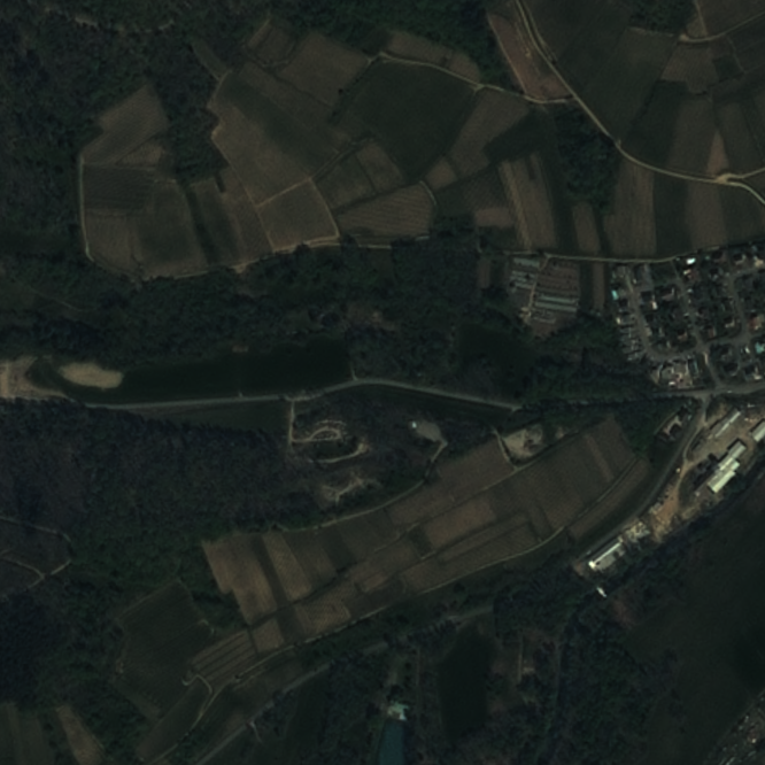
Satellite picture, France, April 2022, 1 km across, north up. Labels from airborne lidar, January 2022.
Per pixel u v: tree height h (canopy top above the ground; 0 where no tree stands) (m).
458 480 0
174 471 23
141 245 0
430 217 0
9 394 0
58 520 17
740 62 0
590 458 0
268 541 0
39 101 23
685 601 8
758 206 0
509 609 24
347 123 0
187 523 23
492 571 0
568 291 0
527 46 0
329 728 22
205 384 0
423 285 22
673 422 0
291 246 0
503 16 0
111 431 20
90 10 11
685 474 0
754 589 0
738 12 0
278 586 0
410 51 0
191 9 25
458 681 0
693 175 0
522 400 15
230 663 0
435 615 15
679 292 7
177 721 0
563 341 9
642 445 14
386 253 0
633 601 20
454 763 20
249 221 0
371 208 0
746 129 0
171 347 16
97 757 0
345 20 15
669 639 0
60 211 22
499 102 0
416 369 13
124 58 17
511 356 0
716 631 0
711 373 0
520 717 12
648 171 0
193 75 13
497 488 0
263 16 20
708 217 0
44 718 0
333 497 0
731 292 0
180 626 0
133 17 17
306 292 0
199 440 23
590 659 27
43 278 19
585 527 0
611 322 10
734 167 0
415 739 20
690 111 0
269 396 0
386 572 0
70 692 13
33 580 13
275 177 0
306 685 0
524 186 0
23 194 26
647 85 0
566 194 0
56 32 20
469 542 0
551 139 0
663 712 0
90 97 10
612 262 0
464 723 0
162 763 0
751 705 0
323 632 0
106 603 16
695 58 0
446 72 0
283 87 0
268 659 0
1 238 0
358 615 0
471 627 0
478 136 0
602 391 18
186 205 0
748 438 0
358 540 0
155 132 0
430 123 0
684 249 0
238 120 0
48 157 0
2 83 23
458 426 21
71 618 22
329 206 0
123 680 0
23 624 24
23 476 20
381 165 0
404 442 17
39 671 23
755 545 0
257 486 23
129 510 23
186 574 16
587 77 0
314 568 0
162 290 18
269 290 0
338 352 0
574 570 24
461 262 20
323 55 0
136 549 22
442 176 0
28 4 15
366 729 13
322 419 13
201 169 20
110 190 0
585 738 18
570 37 0
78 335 32
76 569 13
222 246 0
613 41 0
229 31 18
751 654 0
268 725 14
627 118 0
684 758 0
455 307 20
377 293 16
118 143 0
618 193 0
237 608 7
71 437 16
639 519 0
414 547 0
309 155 0
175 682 0
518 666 0
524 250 0
